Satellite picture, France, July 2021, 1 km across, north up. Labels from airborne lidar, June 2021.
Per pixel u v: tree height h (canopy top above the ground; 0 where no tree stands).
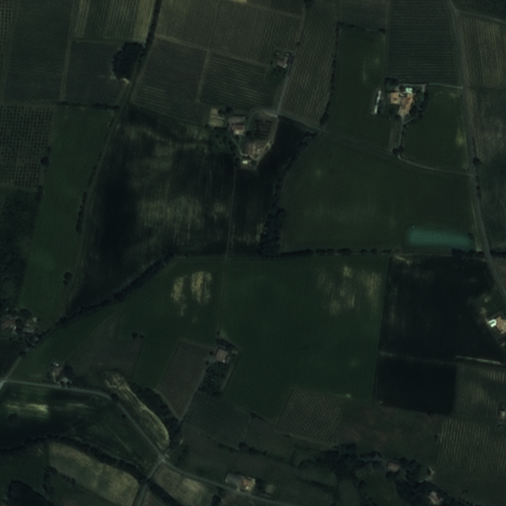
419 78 0
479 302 0
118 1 0
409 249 0
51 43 0
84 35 0
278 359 0
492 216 0
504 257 10
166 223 0
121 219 0
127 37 0
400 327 0
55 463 0
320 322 0
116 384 0
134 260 0
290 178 0
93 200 0
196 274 0
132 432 0
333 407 0
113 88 0
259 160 0
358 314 0
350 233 0
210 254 0
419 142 0
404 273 0
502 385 0
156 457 0
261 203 0
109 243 0
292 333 0
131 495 0
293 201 0
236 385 0
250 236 0
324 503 0
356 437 0
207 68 0
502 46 0
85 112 0
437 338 0
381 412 0
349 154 0
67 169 0
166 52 0
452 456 0
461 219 0
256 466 0
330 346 0
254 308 0
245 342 0
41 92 0
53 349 0
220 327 0
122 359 0
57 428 0
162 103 0
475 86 0
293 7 0
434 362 0
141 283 17
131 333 0
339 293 0
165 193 0
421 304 0
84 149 0
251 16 0
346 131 0
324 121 9
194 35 0
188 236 0
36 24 0
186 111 0
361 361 0
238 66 0
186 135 0
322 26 0
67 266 0
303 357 0
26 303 0
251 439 0
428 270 0
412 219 0
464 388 0
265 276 0
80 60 0
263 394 0
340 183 0
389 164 0
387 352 0
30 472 0
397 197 0
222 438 0
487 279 0
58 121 0
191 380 0
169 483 0
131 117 0
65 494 0
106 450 0
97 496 0
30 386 0
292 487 0
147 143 0
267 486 0
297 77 0
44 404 0
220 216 0
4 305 16
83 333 0
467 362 0
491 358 0
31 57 0
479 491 0
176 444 21
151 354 0
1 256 7
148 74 0
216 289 0
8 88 0
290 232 0
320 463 8
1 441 0
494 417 0
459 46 0
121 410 0
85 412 0
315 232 0
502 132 0
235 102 0
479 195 8
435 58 0
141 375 0
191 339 0
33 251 0
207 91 0
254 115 0
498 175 0
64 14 0
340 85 0
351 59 0
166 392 0
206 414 0
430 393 0
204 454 0
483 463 0
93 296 0
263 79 0
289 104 0
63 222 0
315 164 0
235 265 0
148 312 0
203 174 0
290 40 0
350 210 0
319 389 0
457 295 0
